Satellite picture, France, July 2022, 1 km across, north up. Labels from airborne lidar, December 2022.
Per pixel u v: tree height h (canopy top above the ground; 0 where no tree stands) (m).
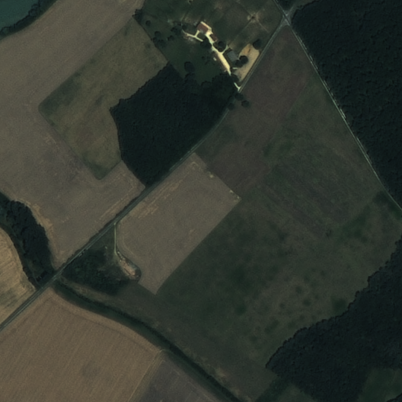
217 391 0
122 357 0
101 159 0
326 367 22
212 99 9
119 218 0
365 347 20
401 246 17
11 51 0
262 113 0
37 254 37
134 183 0
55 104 0
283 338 0
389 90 23
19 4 0
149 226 0
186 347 0
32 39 0
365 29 27
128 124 20
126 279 0
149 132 23
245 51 0
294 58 0
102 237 0
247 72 0
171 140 20
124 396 0
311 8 21
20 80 0
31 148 0
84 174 0
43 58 0
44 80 0
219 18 0
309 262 0
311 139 0
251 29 0
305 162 0
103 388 0
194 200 0
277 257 0
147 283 0
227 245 0
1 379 0
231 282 0
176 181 0
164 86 17
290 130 0
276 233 0
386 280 23
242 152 0
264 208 0
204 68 0
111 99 0
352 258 0
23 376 0
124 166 0
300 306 0
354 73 28
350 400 21
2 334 0
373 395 0
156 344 0
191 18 0
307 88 0
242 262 0
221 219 0
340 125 0
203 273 0
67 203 0
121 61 0
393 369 20
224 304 0
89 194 0
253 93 0
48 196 0
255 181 0
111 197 0
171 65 9
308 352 22
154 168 20
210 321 0
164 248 0
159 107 19
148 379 0
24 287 0
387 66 25
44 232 16
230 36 0
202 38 0
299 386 15
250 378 0
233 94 7
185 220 0
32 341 0
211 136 0
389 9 17
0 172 0
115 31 0
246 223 0
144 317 0
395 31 21
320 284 0
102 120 0
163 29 0
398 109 24
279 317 0
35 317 0
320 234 0
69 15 0
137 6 0
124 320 0
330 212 0
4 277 0
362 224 0
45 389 0
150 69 0
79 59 0
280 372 18
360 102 21
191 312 0
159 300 0
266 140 0
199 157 0
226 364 0
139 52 0
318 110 0
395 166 21
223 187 0
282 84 0
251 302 0
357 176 0
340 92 19
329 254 0
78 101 0
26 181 0
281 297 0
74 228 0
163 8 0
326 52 23
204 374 8
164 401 0
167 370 0
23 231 14
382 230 0
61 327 0
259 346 0
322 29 22
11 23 0
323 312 0
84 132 0
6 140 0
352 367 18
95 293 0
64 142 0
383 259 0
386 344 21
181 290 0
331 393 21
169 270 0
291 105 0
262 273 0
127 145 19
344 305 0
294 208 0
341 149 0
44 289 0
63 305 0
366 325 21
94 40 0
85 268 9
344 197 0
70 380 0
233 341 0
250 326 0
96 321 0
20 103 0
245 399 0
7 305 0
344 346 18
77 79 0
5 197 0
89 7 0
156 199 0
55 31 0
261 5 0
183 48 0
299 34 10
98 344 0
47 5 15
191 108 26
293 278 0
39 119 0
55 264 0
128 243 0
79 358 0
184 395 0
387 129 23
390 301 21
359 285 0
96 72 0
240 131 0
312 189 0
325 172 0
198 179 0
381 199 0
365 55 24
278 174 0
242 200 0
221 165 0
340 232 0
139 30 0
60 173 0
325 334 18
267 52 0
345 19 24
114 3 0
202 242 0
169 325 0
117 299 0
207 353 0
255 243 0
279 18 0
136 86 0
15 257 0
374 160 16
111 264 0
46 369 0
